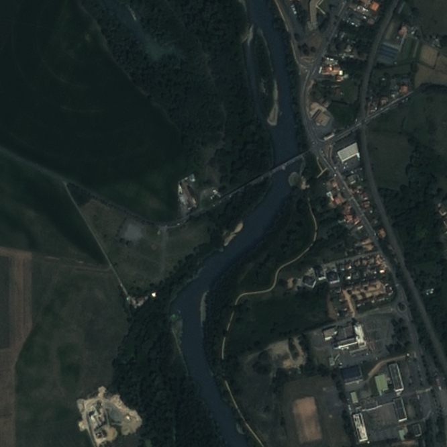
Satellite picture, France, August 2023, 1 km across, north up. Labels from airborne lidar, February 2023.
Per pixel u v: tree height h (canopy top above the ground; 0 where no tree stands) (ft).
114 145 0
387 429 0
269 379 0
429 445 49
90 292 0
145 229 0
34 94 0
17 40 0
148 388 52
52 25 0
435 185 42
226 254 0
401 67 0
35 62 0
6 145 0
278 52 0
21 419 0
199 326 0
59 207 0
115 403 0
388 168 0
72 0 0
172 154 0
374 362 0
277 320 0
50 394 0
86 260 0
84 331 0
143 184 0
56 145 0
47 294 0
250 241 0
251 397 0
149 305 55
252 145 51
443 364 0
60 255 0
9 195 0
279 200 0
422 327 40
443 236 0
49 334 0
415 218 56
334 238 39
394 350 58
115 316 0
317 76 0
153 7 26
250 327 0
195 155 29
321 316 0
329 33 0
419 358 0
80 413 0
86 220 0
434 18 0
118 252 0
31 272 0
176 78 27
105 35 42
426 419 0
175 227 0
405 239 0
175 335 0
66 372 0
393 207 29
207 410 38
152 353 61
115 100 0
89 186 0
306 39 0
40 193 0
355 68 52
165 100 64
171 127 0
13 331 0
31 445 0
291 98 0
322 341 0
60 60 0
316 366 0
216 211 0
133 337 47
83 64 0
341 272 18
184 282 73
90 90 0
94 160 0
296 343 0
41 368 0
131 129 0
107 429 0
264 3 0
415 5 0
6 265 0
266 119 0
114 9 0
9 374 0
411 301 42
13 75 0
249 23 0
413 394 0
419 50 0
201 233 0
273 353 0
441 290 47
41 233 0
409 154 0
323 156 0
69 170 0
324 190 0
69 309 0
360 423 0
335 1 0
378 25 20
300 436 0
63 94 0
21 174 0
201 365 0
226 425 0
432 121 0
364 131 0
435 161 0
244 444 0
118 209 24
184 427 62
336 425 0
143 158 0
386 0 31
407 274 0
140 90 0
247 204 76
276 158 0
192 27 59
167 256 0
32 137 0
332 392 0
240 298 0
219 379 50
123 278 0
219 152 34
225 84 39
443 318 39
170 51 0
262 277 49
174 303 0
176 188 0
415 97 0
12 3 0
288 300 19
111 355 0
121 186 0
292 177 0
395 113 0
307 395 0
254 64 0
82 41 0
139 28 0
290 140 0
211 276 0
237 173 50
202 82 27
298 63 0
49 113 0
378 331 0
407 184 0
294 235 81
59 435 0
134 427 0
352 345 0
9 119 0
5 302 0
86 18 0
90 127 0
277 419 0
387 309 0
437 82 0
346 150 0
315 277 0
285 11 0
